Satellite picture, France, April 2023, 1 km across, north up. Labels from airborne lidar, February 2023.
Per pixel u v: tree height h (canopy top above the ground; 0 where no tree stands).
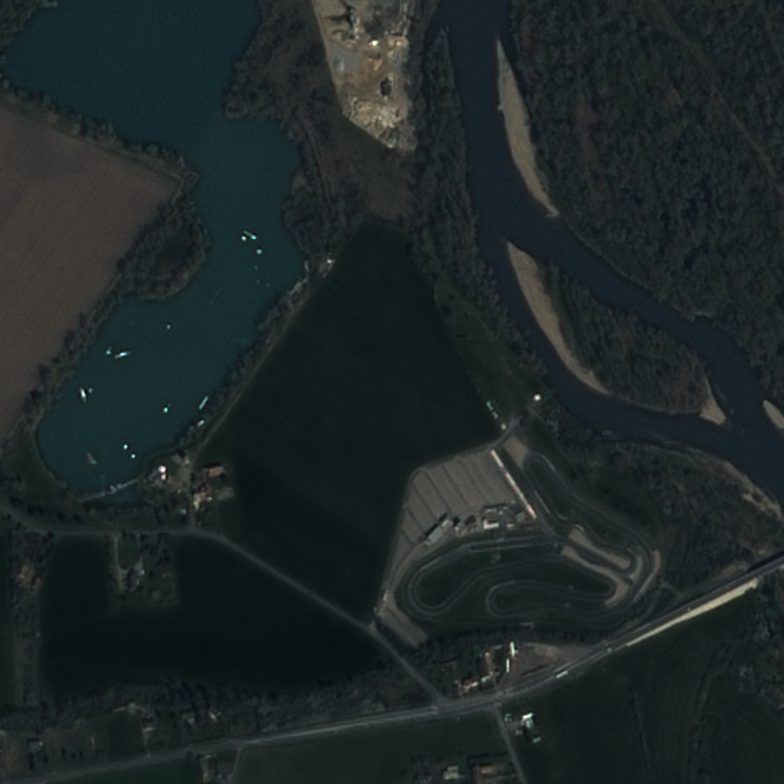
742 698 0
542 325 0
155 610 0
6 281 0
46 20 0
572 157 26
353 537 0
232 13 0
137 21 0
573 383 0
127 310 0
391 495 0
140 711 0
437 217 8
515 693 0
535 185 0
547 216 0
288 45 0
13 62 0
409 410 0
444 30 0
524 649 0
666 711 0
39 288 0
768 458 0
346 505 0
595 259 0
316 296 0
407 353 0
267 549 0
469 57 0
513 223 0
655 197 7
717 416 0
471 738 0
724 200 26
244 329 0
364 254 0
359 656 0
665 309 0
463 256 28
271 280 0
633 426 0
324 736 0
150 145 12
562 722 0
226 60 0
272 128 0
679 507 28
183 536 0
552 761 0
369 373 0
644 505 0
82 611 0
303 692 8
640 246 31
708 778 8
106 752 7
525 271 0
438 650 18
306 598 0
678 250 30
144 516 15
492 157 0
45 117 0
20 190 0
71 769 0
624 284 0
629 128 7
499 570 0
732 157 27
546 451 0
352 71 0
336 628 0
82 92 0
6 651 0
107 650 0
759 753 0
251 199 0
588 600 0
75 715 9
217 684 0
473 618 0
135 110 0
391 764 0
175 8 0
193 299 0
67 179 0
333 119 0
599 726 0
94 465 0
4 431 0
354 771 0
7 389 0
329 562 0
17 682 0
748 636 8
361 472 0
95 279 0
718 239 23
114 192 0
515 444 0
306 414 0
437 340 0
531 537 0
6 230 0
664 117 33
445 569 0
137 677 0
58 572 0
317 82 0
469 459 0
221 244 0
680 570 7
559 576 0
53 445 0
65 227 0
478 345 0
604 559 0
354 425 0
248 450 0
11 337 0
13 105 0
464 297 11
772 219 29
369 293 0
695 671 0
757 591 7
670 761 0
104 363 0
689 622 0
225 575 0
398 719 0
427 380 0
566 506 0
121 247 0
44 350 0
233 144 0
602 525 0
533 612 0
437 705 0
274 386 0
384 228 0
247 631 0
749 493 0
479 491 0
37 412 23
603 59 27
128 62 0
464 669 0
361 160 0
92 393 0
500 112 0
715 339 0
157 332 0
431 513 0
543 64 23
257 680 0
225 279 0
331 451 0
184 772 0
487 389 0
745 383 0
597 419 0
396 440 0
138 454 0
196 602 0
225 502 0
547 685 0
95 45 0
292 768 0
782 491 0
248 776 0
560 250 0
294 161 0
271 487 0
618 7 34
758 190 31
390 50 0
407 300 0
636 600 0
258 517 0
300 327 0
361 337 0
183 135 0
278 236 0
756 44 11
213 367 0
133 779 0
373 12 0
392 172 0
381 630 12
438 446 0
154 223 0
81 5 0
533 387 0
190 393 0
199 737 10
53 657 0
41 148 0
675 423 0
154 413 0
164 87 0
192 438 15
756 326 34
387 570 0
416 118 17
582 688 0
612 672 0
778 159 6
